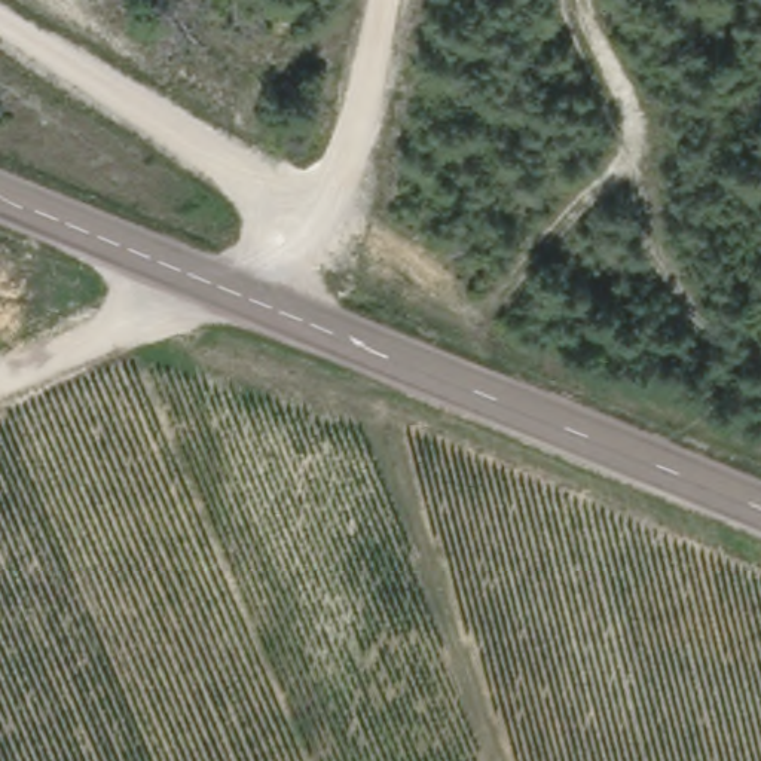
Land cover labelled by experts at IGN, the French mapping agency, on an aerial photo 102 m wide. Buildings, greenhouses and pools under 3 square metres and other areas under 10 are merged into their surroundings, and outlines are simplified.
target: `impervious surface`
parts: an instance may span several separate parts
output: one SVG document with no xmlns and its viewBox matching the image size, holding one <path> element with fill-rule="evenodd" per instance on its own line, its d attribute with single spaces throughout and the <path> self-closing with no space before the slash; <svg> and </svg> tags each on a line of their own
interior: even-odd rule
<svg viewBox="0 0 761 761">
<path fill-rule="evenodd" d="M 336 300 L 333 306 L 324 306 L 288 285 L 259 279 L 244 268 L 235 268 L 223 253 L 190 247 L 178 238 L 152 232 L 110 211 L 71 199 L 59 190 L 21 178 L 9 169 L 0 169 L 0 226 L 24 235 L 24 241 L 33 247 L 48 244 L 95 271 L 104 262 L 137 282 L 199 303 L 202 309 L 217 312 L 214 324 L 244 327 L 271 336 L 282 345 L 309 351 L 315 357 L 369 375 L 383 386 L 392 386 L 431 407 L 488 425 L 547 455 L 559 455 L 568 464 L 595 470 L 606 479 L 615 479 L 687 511 L 722 520 L 737 532 L 761 538 L 761 479 L 710 461 L 705 455 L 687 452 L 660 434 L 618 422 L 568 395 L 547 392 L 520 378 L 440 351 L 366 315 L 357 315 Z"/>
</svg>

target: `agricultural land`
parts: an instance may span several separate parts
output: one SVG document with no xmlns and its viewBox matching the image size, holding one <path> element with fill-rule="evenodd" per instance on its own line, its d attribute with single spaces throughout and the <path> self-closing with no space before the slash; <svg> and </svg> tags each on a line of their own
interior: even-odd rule
<svg viewBox="0 0 761 761">
<path fill-rule="evenodd" d="M 125 36 L 128 6 L 140 0 L 86 0 L 86 12 L 92 12 L 95 18 L 101 18 Z"/>
<path fill-rule="evenodd" d="M 348 68 L 360 39 L 366 0 L 339 0 L 339 9 L 324 24 L 303 30 L 300 36 L 291 36 L 291 21 L 306 12 L 306 6 L 276 6 L 271 0 L 143 0 L 146 6 L 163 9 L 163 18 L 158 21 L 158 45 L 137 45 L 128 56 L 122 56 L 110 45 L 98 42 L 92 54 L 110 68 L 122 71 L 125 77 L 169 98 L 205 125 L 223 131 L 226 137 L 250 149 L 259 149 L 273 161 L 309 166 L 330 146 L 348 86 Z M 265 98 L 273 98 L 285 86 L 297 89 L 300 83 L 309 83 L 315 77 L 324 77 L 315 119 L 294 116 L 288 128 L 262 128 L 256 122 L 253 110 L 259 92 Z"/>
</svg>

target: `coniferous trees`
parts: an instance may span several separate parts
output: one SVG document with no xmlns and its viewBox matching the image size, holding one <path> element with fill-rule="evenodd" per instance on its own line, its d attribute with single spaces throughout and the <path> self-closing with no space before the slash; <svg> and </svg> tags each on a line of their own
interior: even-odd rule
<svg viewBox="0 0 761 761">
<path fill-rule="evenodd" d="M 306 12 L 291 21 L 291 36 L 300 36 L 303 30 L 324 24 L 339 9 L 339 0 L 271 0 L 276 6 L 306 6 Z"/>
<path fill-rule="evenodd" d="M 285 86 L 273 98 L 265 98 L 259 92 L 253 110 L 256 122 L 262 128 L 288 128 L 294 116 L 315 119 L 324 77 L 315 77 L 309 83 L 300 83 L 297 89 Z"/>
<path fill-rule="evenodd" d="M 687 401 L 713 404 L 713 419 L 722 425 L 740 410 L 761 410 L 761 0 L 595 0 L 595 18 L 603 36 L 609 39 L 624 74 L 630 77 L 639 98 L 639 110 L 645 116 L 645 155 L 639 161 L 642 169 L 633 178 L 612 178 L 609 184 L 603 184 L 595 202 L 580 214 L 577 226 L 562 229 L 559 235 L 544 235 L 538 223 L 553 217 L 583 187 L 586 178 L 592 178 L 615 155 L 621 140 L 621 107 L 609 95 L 595 56 L 583 56 L 574 51 L 571 27 L 565 27 L 559 15 L 559 0 L 422 0 L 425 15 L 413 27 L 416 51 L 401 62 L 398 71 L 398 74 L 413 89 L 413 95 L 407 110 L 410 116 L 404 119 L 401 137 L 395 140 L 404 163 L 398 166 L 398 196 L 389 202 L 389 214 L 410 211 L 410 220 L 422 226 L 422 238 L 431 235 L 437 241 L 452 241 L 473 256 L 476 273 L 470 273 L 470 279 L 464 282 L 470 300 L 485 297 L 493 288 L 493 279 L 499 279 L 508 271 L 514 253 L 526 253 L 529 265 L 523 285 L 511 294 L 508 303 L 502 303 L 493 312 L 496 321 L 511 327 L 523 345 L 553 351 L 577 369 L 606 369 L 612 381 L 648 383 L 654 378 L 663 378 L 672 383 L 684 383 L 690 389 Z"/>
<path fill-rule="evenodd" d="M 163 18 L 163 9 L 146 6 L 143 0 L 140 0 L 128 6 L 125 36 L 137 45 L 158 45 L 158 21 Z"/>
</svg>

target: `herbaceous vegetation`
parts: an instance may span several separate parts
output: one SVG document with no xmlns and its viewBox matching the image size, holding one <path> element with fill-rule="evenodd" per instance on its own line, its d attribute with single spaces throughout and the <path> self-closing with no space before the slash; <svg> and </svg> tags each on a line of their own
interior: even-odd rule
<svg viewBox="0 0 761 761">
<path fill-rule="evenodd" d="M 440 351 L 520 378 L 547 392 L 568 395 L 618 422 L 660 434 L 687 452 L 705 455 L 710 461 L 761 479 L 761 410 L 740 410 L 722 425 L 713 419 L 713 404 L 687 401 L 690 389 L 684 383 L 672 383 L 663 378 L 654 378 L 648 383 L 612 381 L 606 369 L 577 369 L 553 351 L 523 345 L 511 327 L 496 321 L 493 312 L 502 303 L 508 303 L 511 294 L 523 285 L 529 265 L 526 253 L 514 253 L 508 271 L 499 279 L 493 279 L 493 288 L 485 297 L 470 300 L 464 282 L 470 279 L 470 273 L 476 273 L 473 256 L 452 241 L 437 241 L 431 235 L 422 238 L 422 226 L 410 220 L 410 211 L 389 214 L 389 202 L 398 196 L 398 166 L 404 163 L 395 140 L 401 137 L 404 119 L 410 116 L 407 110 L 413 95 L 413 89 L 398 74 L 386 95 L 381 137 L 372 149 L 375 196 L 369 214 L 378 217 L 378 223 L 392 229 L 398 238 L 425 247 L 425 253 L 443 268 L 443 273 L 437 282 L 422 288 L 410 279 L 407 271 L 401 271 L 398 262 L 366 256 L 354 268 L 324 271 L 324 285 L 336 300 L 357 315 L 366 315 Z"/>
<path fill-rule="evenodd" d="M 21 178 L 59 190 L 71 199 L 110 211 L 152 232 L 178 238 L 190 247 L 223 253 L 235 247 L 241 238 L 241 214 L 208 178 L 181 166 L 172 155 L 158 149 L 131 125 L 110 119 L 104 110 L 86 104 L 83 98 L 74 98 L 54 77 L 36 74 L 0 48 L 0 169 L 9 169 Z"/>
<path fill-rule="evenodd" d="M 92 54 L 98 42 L 110 45 L 122 56 L 128 56 L 137 45 L 125 36 L 101 18 L 95 18 L 92 12 L 86 12 L 86 0 L 0 0 L 0 3 L 24 21 L 36 24 L 39 30 L 54 33 L 68 45 Z"/>
<path fill-rule="evenodd" d="M 0 354 L 36 339 L 39 333 L 56 327 L 68 315 L 98 309 L 107 294 L 107 285 L 95 271 L 48 244 L 33 247 L 24 241 L 24 235 L 0 226 Z"/>
<path fill-rule="evenodd" d="M 416 51 L 413 27 L 425 15 L 422 0 L 401 0 L 392 36 L 392 65 L 398 71 L 401 62 Z"/>
</svg>

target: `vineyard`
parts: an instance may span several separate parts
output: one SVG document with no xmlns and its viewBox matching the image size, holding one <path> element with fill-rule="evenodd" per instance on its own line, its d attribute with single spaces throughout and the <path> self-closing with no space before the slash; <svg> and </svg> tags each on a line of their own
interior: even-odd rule
<svg viewBox="0 0 761 761">
<path fill-rule="evenodd" d="M 0 395 L 0 761 L 761 761 L 761 538 L 737 532 L 722 520 L 687 511 L 615 479 L 606 479 L 595 470 L 568 464 L 559 455 L 547 455 L 488 425 L 431 407 L 392 386 L 383 386 L 369 375 L 315 357 L 309 351 L 282 345 L 271 336 L 244 327 L 214 324 L 202 324 L 193 333 L 169 336 L 152 345 L 110 351 L 107 357 L 89 363 L 86 372 L 62 383 L 33 383 Z"/>
</svg>

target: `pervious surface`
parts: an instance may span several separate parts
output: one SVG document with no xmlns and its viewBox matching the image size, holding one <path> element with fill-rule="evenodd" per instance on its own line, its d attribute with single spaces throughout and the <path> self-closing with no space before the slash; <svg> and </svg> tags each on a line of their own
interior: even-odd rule
<svg viewBox="0 0 761 761">
<path fill-rule="evenodd" d="M 68 315 L 56 327 L 39 333 L 36 339 L 0 354 L 0 395 L 33 383 L 62 383 L 86 372 L 89 363 L 107 357 L 110 351 L 152 345 L 169 336 L 193 333 L 202 324 L 214 324 L 217 312 L 202 309 L 199 303 L 137 282 L 104 262 L 95 271 L 107 285 L 107 294 L 98 309 Z"/>
<path fill-rule="evenodd" d="M 241 238 L 235 247 L 223 253 L 235 268 L 244 268 L 259 279 L 288 285 L 324 306 L 333 306 L 336 300 L 324 285 L 324 271 L 354 268 L 366 256 L 398 262 L 401 271 L 407 271 L 410 279 L 422 288 L 437 282 L 443 273 L 443 268 L 425 253 L 425 247 L 398 238 L 392 229 L 378 223 L 378 217 L 369 214 L 375 196 L 372 149 L 381 137 L 386 95 L 398 74 L 398 71 L 392 65 L 392 36 L 401 0 L 366 0 L 360 39 L 348 68 L 348 86 L 330 146 L 309 166 L 273 161 L 259 149 L 250 149 L 226 137 L 223 131 L 205 125 L 169 98 L 125 77 L 122 71 L 110 68 L 92 54 L 68 45 L 54 33 L 39 30 L 36 24 L 24 21 L 0 3 L 0 48 L 36 74 L 54 77 L 74 98 L 83 98 L 86 104 L 104 110 L 110 119 L 131 125 L 158 149 L 172 155 L 181 166 L 208 178 L 241 214 Z"/>
<path fill-rule="evenodd" d="M 571 27 L 574 51 L 583 56 L 595 56 L 609 95 L 621 107 L 621 140 L 615 155 L 592 178 L 586 178 L 583 187 L 553 217 L 538 223 L 544 235 L 559 235 L 562 229 L 577 226 L 580 214 L 595 202 L 603 184 L 609 184 L 612 178 L 633 178 L 642 169 L 639 161 L 645 155 L 645 116 L 639 110 L 639 98 L 630 77 L 624 74 L 609 39 L 603 36 L 595 18 L 595 0 L 559 0 L 559 15 L 565 27 Z"/>
</svg>

